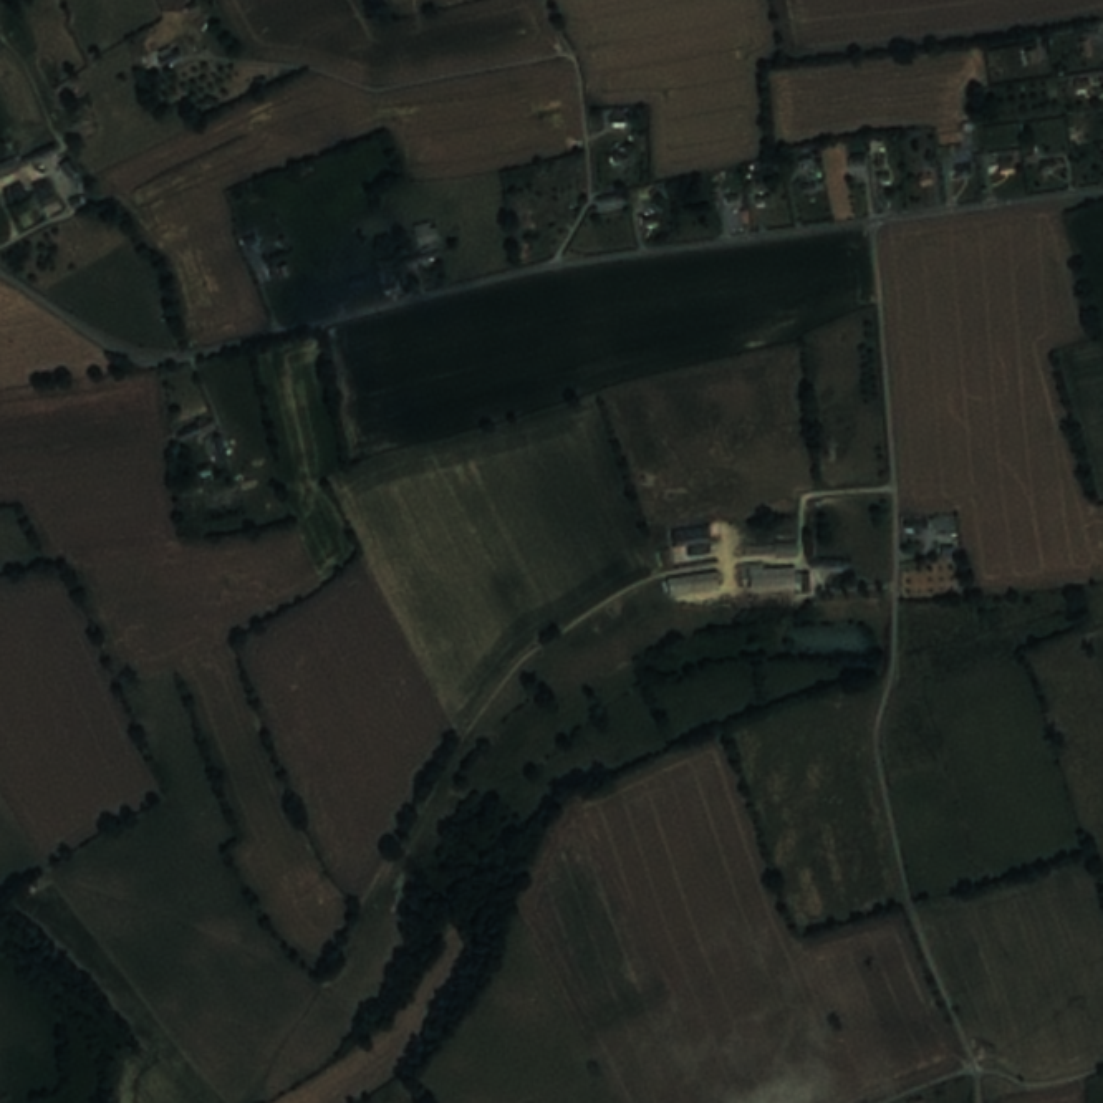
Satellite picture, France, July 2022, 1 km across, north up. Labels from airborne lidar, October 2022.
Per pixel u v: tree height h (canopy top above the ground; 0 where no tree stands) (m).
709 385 0
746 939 0
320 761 0
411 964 21
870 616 0
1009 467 0
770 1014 0
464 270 0
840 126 0
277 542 0
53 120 0
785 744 0
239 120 0
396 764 0
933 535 0
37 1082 0
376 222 0
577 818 0
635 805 0
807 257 0
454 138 0
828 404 0
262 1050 0
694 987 0
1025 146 10
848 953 0
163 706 0
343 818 0
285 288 0
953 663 0
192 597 0
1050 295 0
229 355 10
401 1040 0
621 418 0
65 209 0
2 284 0
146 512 0
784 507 0
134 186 0
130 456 0
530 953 0
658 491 0
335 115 0
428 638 0
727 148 0
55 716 0
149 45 0
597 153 0
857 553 0
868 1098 0
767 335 0
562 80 0
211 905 0
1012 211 0
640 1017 0
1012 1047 0
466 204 0
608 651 0
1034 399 0
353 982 0
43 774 0
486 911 19
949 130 0
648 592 0
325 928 0
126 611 0
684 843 0
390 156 13
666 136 0
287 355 0
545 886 0
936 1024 0
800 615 9
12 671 0
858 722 0
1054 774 0
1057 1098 0
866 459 0
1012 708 0
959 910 0
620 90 0
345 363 0
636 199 0
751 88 0
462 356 0
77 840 0
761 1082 0
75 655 0
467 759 7
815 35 0
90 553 0
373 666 0
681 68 0
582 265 0
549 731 0
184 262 0
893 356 0
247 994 0
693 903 0
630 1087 0
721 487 0
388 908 0
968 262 0
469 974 16
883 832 0
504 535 0
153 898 0
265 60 0
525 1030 0
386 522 0
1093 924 0
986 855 0
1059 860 10
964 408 0
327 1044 0
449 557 0
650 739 0
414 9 0
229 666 0
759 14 0
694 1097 0
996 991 0
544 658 0
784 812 0
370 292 0
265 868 0
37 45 0
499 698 0
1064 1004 0
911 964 0
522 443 0
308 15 0
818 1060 0
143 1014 0
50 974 16
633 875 0
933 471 0
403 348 0
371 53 0
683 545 0
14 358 0
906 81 0
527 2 0
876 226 0
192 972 0
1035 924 0
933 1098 0
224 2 0
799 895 0
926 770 0
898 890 0
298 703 0
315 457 0
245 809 0
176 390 0
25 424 0
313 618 0
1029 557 0
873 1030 0
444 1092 0
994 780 0
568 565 0
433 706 0
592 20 0
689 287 0
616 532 0
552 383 0
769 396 0
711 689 0
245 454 0
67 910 0
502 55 0
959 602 15
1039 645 16
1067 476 0
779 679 0
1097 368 0
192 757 0
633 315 0
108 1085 6
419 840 0
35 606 0
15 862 0
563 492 0
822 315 0
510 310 0
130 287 0
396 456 0
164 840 0
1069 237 0
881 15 0
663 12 0
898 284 0
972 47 8
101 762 0
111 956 0
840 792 0
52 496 0
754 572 0
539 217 0
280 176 6
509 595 0
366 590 0
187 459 11
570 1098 0
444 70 0
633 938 0
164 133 0
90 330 0
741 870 0
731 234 0
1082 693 0
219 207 0
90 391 0
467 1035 0
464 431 0
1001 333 0
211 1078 0
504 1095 0
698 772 0
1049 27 10
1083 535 0
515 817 7
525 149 0
